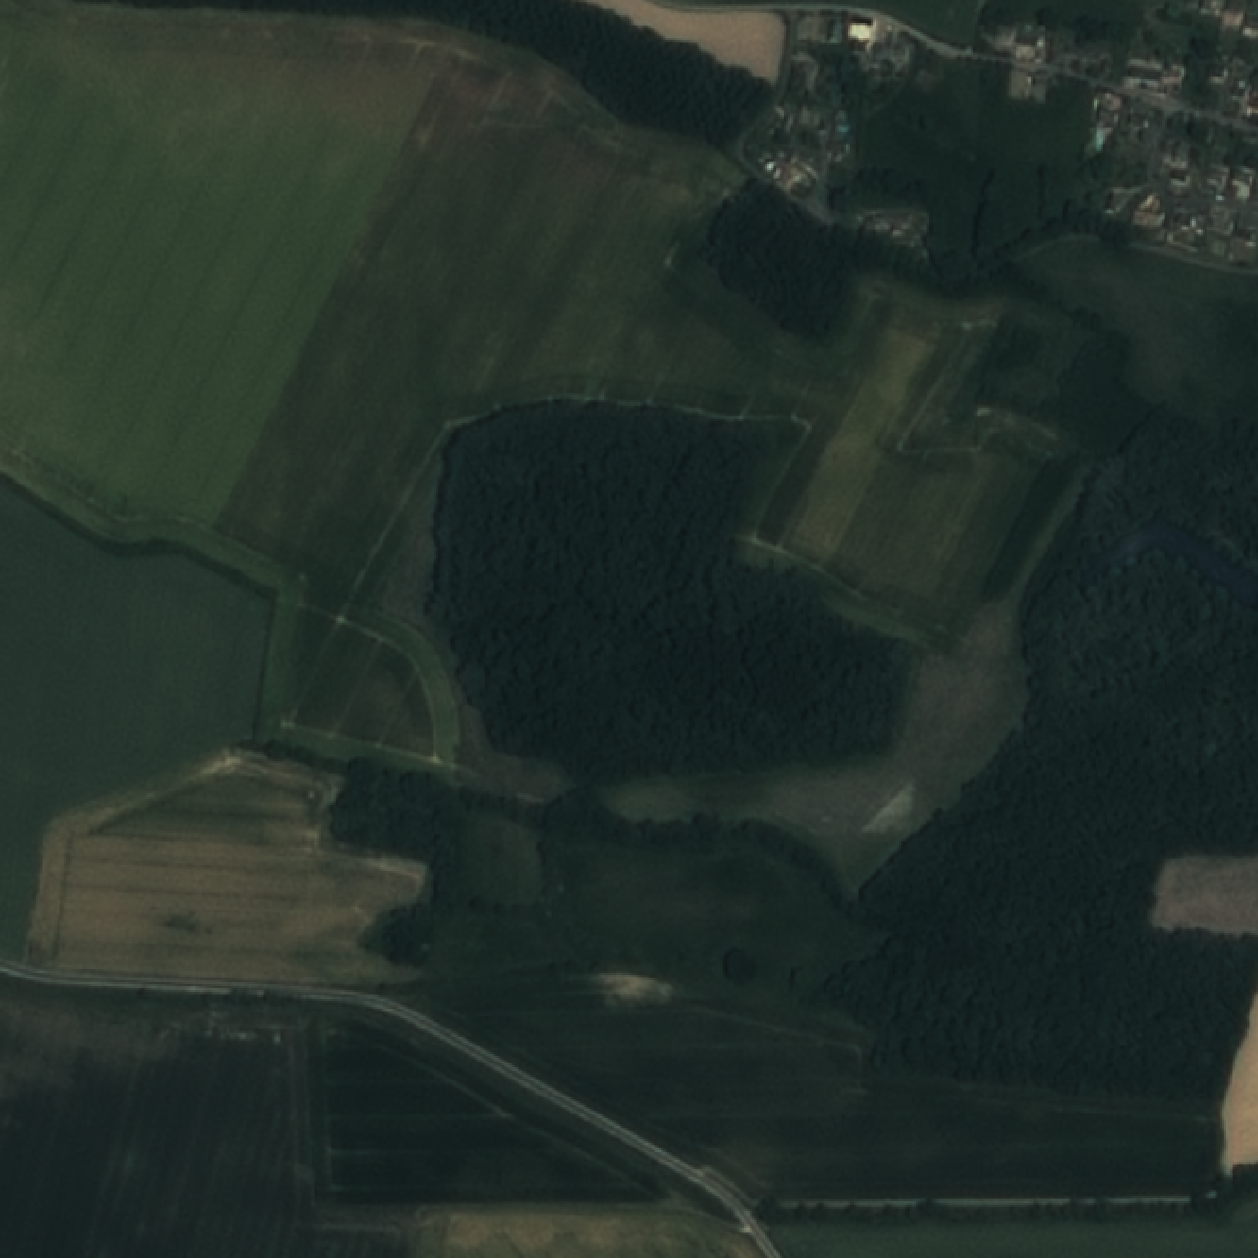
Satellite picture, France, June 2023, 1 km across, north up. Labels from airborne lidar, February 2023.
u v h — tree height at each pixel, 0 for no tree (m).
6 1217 0
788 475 0
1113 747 21
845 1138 0
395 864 0
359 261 0
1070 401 7
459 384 0
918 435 0
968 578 0
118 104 0
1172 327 0
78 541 0
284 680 0
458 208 0
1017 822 19
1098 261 0
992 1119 0
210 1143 0
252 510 0
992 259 18
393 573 0
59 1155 0
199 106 0
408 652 0
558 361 0
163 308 0
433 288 0
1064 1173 0
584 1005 0
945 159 0
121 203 0
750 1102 0
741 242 23
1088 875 21
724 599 37
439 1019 0
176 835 0
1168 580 21
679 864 0
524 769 0
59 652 0
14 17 0
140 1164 0
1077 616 21
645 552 23
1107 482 31
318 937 0
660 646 21
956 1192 0
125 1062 0
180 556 0
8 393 0
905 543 0
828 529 0
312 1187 0
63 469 0
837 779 0
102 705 0
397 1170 0
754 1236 0
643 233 0
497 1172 0
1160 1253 0
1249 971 19
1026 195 0
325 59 0
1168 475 29
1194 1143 0
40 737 0
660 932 0
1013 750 13
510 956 0
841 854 0
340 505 0
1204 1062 21
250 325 0
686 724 14
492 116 0
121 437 0
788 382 0
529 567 11
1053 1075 19
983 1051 17
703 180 0
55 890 0
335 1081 0
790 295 21
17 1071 0
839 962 0
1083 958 18
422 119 0
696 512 40
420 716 0
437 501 0
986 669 0
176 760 0
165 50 0
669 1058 0
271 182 0
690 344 0
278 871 0
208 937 0
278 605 0
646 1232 0
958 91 0
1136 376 0
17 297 0
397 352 0
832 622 8
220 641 0
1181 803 21
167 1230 0
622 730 24
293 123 0
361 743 0
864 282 0
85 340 0
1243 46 6
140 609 0
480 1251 0
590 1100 0
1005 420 0
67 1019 0
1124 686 22
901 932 18
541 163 0
